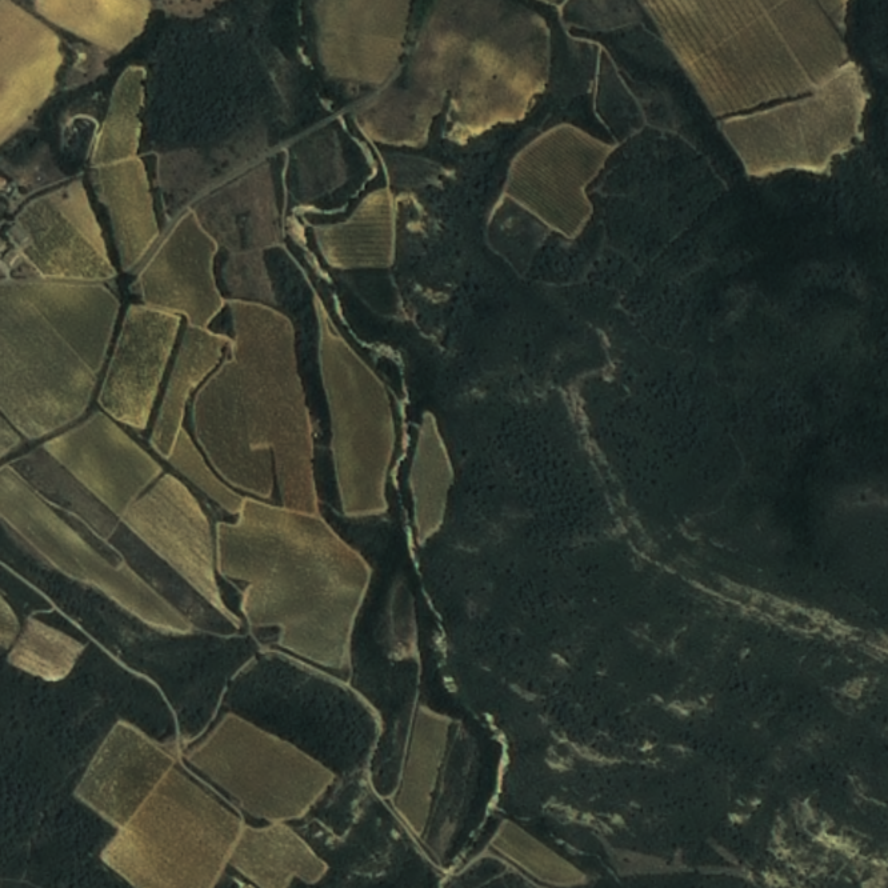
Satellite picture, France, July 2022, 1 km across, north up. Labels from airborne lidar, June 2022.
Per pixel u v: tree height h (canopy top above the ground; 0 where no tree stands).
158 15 7
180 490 0
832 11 0
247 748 0
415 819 0
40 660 0
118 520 0
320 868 0
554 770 0
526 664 8
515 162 0
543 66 0
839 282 10
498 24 0
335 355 0
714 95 0
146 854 0
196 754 0
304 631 0
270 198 0
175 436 0
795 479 8
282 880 0
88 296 0
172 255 0
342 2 0
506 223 0
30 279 0
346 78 0
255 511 0
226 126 9
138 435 0
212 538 0
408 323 7
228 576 0
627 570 0
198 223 0
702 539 0
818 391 5
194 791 0
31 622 0
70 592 7
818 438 7
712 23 0
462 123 0
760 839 0
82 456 0
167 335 0
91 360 0
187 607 0
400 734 0
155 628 0
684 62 0
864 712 0
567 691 9
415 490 0
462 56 0
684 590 0
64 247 0
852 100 0
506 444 7
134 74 0
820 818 0
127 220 0
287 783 0
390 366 8
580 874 0
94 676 6
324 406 10
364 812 0
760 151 0
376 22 0
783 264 7
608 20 0
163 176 0
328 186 0
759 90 0
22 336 0
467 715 7
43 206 0
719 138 5
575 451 0
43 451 0
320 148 0
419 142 0
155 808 0
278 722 6
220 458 0
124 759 0
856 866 0
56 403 0
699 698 0
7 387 0
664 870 0
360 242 0
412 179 0
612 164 7
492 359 0
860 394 8
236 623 0
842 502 0
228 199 0
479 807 8
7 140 0
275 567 0
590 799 0
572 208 0
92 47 0
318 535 0
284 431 0
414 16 14
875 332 9
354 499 0
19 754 6
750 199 7
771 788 0
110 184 0
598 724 10
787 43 0
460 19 0
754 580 0
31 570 6
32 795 10
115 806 0
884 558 0
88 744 11
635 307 11
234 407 0
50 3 0
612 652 0
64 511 0
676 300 6
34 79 0
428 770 0
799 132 0
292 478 0
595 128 6
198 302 0
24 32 0
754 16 0
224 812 0
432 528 0
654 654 0
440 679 8
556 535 7
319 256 5
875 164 6
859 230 7
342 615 0
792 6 0
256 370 0
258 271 0
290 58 7
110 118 0
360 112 0
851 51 6
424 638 8
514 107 0
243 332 0
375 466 0
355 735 9
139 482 0
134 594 0
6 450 0
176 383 0
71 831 9
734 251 7
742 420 9
